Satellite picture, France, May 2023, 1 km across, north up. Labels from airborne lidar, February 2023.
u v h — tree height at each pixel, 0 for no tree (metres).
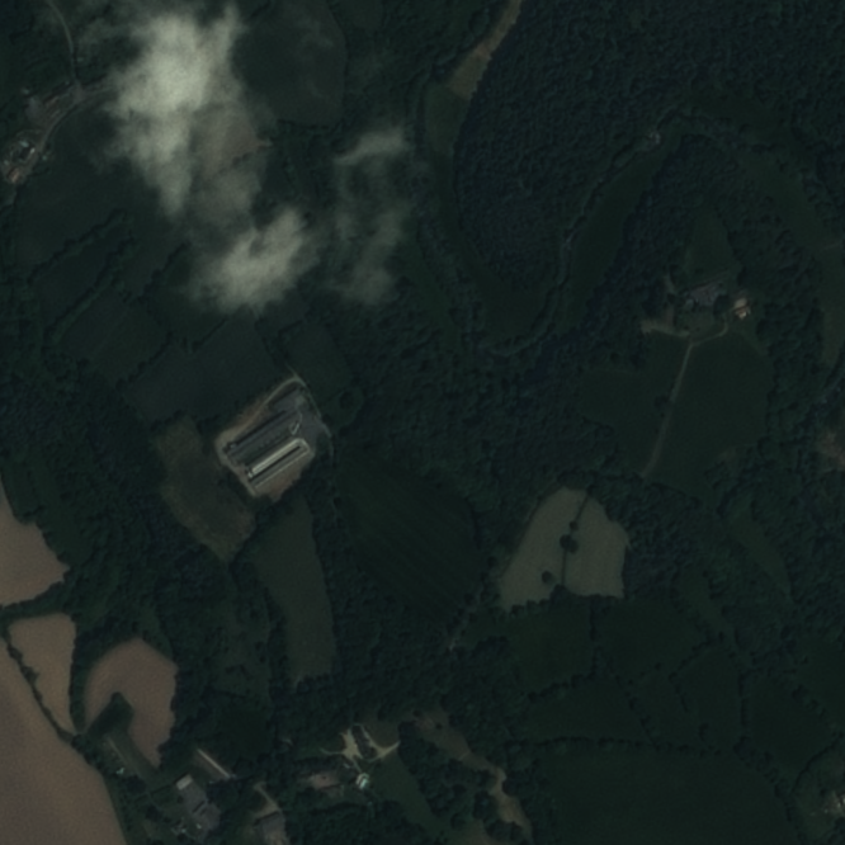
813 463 20
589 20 16
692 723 0
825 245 0
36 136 0
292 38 0
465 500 17
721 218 13
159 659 0
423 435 26
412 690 19
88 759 14
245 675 13
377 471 0
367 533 0
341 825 18
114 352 0
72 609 8
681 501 21
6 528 0
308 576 0
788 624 20
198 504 0
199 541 0
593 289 0
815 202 10
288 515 11
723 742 0
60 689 0
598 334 24
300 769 15
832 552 25
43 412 29
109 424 16
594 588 0
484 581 12
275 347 7
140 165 0
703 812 0
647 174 0
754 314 6
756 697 0
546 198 14
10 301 11
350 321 17
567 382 23
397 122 9
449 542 0
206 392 0
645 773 0
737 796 0
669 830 0
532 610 14
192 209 16
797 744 0
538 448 24
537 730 0
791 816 11
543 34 27
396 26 10
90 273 0
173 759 22
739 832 0
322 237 9
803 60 25
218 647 5
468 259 0
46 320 0
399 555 0
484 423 22
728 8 12
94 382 15
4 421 26
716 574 22
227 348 0
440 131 0
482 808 13
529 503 18
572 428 26
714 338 0
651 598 10
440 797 29
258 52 0
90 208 0
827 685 0
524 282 9
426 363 26
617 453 21
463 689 20
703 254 0
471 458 24
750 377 0
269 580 0
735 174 22
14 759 0
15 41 14
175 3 0
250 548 14
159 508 17
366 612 18
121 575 6
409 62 18
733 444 0
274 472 0
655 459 0
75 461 7
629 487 24
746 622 20
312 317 11
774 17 17
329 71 0
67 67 7
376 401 20
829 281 0
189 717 23
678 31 18
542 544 0
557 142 24
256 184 0
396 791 0
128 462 22
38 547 0
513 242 17
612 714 0
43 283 0
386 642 20
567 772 0
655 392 0
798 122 13
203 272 0
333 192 16
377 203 23
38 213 0
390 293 17
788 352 17
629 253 21
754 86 22
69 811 0
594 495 16
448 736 0
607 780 0
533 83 30
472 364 0
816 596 17
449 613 0
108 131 0
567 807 0
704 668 0
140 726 0
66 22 0
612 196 0
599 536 0
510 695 16
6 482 10
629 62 23
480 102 19
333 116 0
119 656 0
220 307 0
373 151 26
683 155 16
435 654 21
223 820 18
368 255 10
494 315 0
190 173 14
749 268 16
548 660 0
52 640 0
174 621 25
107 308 0
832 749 6
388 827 16
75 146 0
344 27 10
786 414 23
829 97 18
